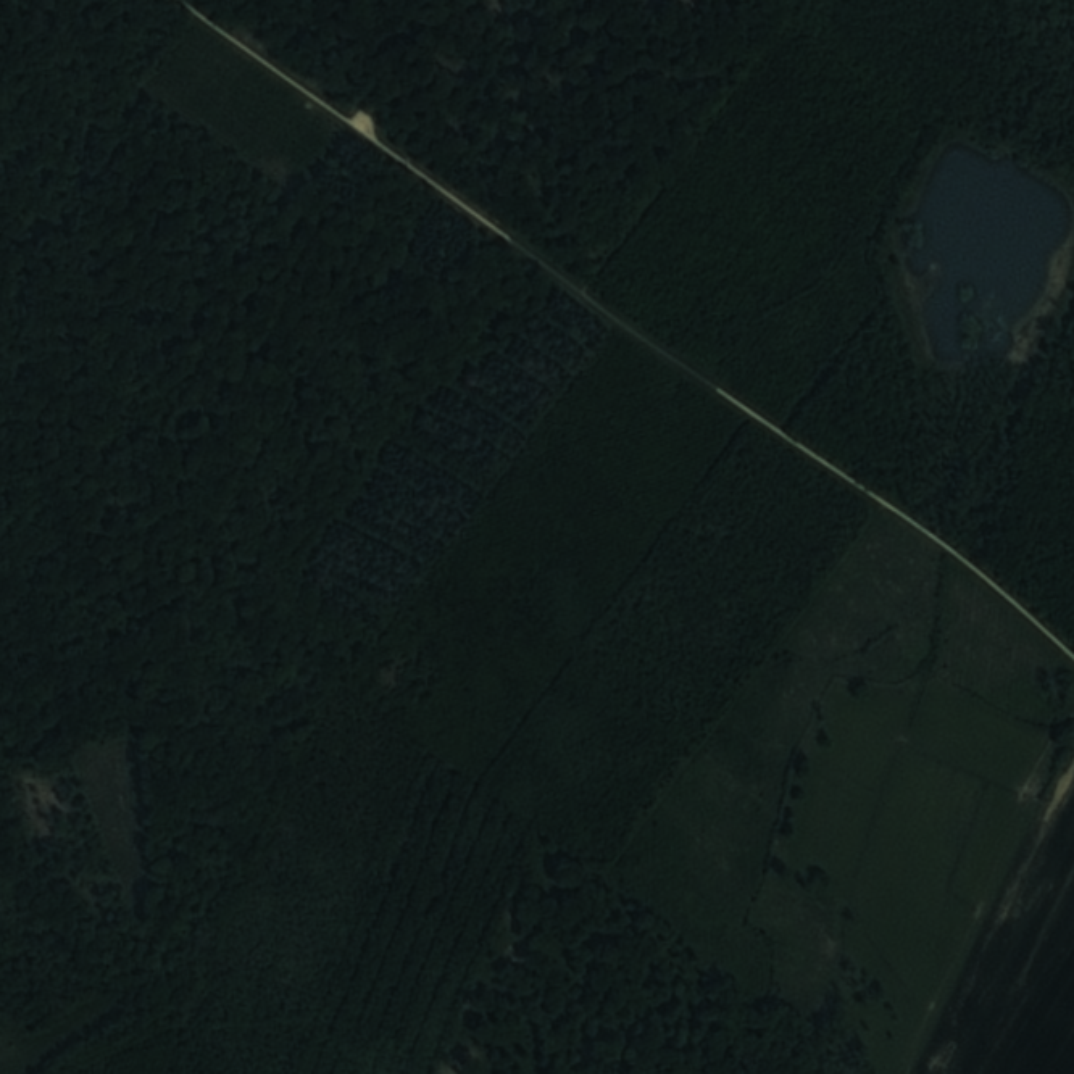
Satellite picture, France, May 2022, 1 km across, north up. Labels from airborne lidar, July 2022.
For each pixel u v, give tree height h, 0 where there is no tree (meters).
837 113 9
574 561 6
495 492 9
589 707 15
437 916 19
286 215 28
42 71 23
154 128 19
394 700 9
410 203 20
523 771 16
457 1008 16
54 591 26
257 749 20
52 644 32
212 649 24
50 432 22
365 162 22
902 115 10
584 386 7
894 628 6
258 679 24
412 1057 16
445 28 29
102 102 27
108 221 31
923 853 0
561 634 14
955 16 21
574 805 14
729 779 0
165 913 23
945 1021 0
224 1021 18
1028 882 0
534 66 30
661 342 6
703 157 8
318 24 26
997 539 26
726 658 12
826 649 0
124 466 23
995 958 0
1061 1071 0
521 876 20
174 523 27
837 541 10
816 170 9
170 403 25
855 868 0
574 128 25
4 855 30
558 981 24
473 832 19
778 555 12
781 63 9
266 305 32
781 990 6
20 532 24
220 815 22
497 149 28
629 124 26
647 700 12
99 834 17
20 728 27
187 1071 13
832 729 0
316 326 23
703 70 24
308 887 13
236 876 22
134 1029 17
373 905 16
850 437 21
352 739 14
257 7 26
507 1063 20
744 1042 25
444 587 7
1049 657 0
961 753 0
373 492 25
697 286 9
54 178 25
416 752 14
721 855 0
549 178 28
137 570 24
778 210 9
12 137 20
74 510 29
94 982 20
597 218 22
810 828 0
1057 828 0
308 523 25
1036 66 20
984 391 12
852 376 25
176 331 30
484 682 7
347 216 24
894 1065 0
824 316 7
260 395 27
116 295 28
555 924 27
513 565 6
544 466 8
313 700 22
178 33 19
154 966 22
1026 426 19
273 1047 16
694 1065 24
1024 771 0
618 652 12
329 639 21
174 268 22
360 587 26
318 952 14
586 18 30
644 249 9
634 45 23
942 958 0
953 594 0
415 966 17
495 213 25
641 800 14
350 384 22
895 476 18
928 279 0
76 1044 19
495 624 8
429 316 27
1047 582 21
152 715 27
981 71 18
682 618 11
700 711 10
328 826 13
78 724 30
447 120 12
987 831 0
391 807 13
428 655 11
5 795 25
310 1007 17
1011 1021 0
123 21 22
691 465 6
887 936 0
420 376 27
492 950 23
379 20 28
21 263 26
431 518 27
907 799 0
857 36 20
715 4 30
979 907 0
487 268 27
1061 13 23
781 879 27
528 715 11
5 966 22
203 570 22
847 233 11
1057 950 0
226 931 18
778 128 7
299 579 24
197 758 25
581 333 26
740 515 10
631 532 6
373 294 23
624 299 9
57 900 26
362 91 28
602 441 6
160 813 28
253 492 24
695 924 0
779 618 10
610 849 11
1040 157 20
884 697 0
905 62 22
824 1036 19
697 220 8
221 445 27
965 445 22
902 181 13
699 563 11
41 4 26
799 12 20
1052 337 19
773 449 11
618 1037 30
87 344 23
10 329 22
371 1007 16
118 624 13
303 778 14
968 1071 0
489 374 25
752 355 5
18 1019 18
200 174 17
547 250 26
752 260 8
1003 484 17
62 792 9
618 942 27
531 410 26
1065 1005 0
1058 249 0
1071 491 21
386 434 20
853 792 0
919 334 0
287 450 27
